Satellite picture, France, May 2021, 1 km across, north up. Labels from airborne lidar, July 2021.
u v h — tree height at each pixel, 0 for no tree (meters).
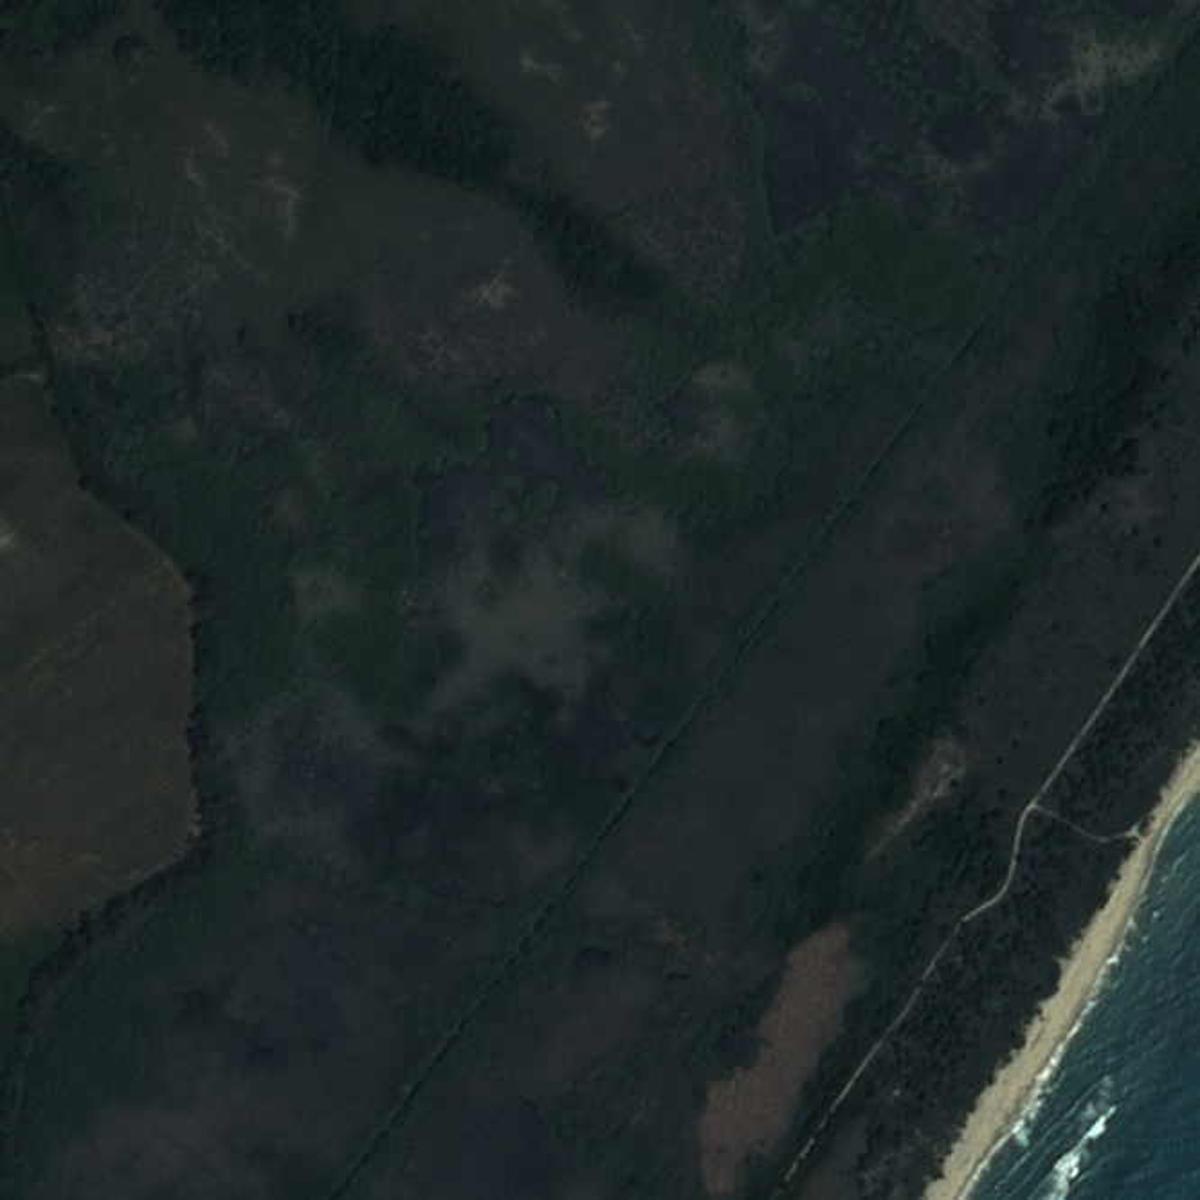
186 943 5
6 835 0
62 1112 6
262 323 0
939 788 0
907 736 6
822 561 6
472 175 7
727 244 0
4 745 0
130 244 0
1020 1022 0
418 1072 6
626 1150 5
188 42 7
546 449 0
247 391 0
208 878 6
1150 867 0
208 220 0
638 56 0
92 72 0
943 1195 0
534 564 0
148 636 0
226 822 13
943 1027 10
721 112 0
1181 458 0
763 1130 0
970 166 0
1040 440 6
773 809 0
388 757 0
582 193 0
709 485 6
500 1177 0
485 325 0
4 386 0
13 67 0
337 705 0
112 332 0
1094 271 5
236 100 0
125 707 0
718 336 6
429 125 16
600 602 0
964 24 0
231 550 6
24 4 16
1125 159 7
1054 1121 0
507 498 0
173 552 9
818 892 8
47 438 0
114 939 6
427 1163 0
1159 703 9
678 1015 6
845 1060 7
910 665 6
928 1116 7
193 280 0
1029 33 0
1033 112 0
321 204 0
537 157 0
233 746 0
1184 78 6
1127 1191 0
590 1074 6
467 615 0
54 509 0
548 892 6
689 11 6
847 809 12
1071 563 0
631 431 0
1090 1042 0
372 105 14
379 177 0
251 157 0
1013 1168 0
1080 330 6
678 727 6
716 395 0
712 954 0
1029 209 0
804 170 0
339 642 5
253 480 6
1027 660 0
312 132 0
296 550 6
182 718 0
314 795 0
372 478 0
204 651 11
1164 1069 0
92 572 0
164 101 0
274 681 5
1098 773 9
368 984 0
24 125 0
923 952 9
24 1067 10
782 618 6
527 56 0
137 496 0
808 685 0
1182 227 7
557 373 0
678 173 0
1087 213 5
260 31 14
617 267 6
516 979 7
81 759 0
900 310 6
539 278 0
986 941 7
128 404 6
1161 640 9
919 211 0
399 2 0
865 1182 7
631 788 6
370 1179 6
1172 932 0
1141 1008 0
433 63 12
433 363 0
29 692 0
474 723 0
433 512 0
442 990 0
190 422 0
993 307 5
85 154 0
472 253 0
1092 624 0
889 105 0
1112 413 11
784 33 0
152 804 0
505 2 0
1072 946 0
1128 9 0
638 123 0
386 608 6
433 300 0
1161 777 0
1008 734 0
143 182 0
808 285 6
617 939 0
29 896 0
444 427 0
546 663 0
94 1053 6
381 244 0
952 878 13
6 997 0
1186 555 0
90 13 8
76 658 0
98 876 0
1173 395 0
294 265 0
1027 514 6
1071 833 9
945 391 6
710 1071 6
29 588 0
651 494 5
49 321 17
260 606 6
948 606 7
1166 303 14
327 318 6
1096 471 13
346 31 10
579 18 0
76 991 6
